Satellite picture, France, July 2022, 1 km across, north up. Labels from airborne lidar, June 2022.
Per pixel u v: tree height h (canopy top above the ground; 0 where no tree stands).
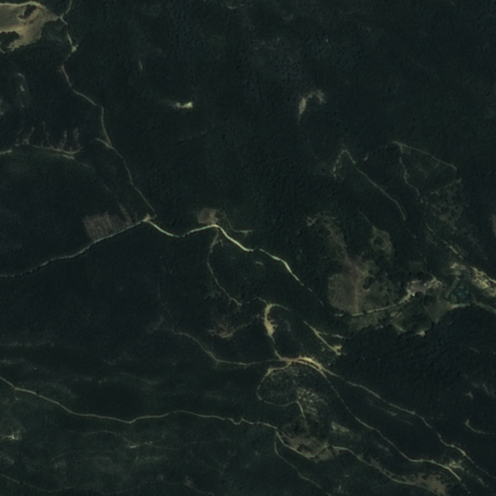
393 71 7
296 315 9
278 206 15
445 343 8
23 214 9
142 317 7
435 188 7
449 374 14
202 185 9
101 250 9
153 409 7
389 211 7
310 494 7
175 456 6
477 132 7
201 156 7
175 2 11
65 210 9
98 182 8
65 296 8
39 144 5
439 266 8
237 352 7
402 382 10
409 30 8
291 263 9
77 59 8
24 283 14
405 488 7
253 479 6
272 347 6
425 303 11
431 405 7
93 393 7
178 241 12
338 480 6
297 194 15
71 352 6
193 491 8
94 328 7
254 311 7
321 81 7
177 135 8
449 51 9
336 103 6
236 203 7
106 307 8
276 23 9
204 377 7
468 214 7
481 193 7
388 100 6
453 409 8
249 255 9
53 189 9
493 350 9
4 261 12
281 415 8
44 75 9
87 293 12
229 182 7
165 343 8
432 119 9
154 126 7
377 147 9
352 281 0
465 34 9
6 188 6
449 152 9
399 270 7
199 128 6
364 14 5
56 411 6
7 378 8
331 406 6
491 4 15
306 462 6
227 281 7
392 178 8
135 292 10
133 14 7
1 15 0
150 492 6
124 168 8
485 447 8
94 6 8
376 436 6
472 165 7
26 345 6
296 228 12
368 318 0
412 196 10
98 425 5
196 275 10
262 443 7
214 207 8
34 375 5
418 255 8
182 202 9
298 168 11
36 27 0
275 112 9
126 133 9
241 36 6
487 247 7
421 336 11
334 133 7
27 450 6
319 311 13
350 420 8
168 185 6
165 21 6
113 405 7
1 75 8
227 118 12
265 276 8
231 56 11
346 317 10
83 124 7
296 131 7
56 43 7
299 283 10
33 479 7
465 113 9
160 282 6
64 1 12
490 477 8
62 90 9
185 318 10
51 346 6
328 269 6
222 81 7
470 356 11
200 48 9
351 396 9
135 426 6
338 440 8
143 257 7
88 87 6
